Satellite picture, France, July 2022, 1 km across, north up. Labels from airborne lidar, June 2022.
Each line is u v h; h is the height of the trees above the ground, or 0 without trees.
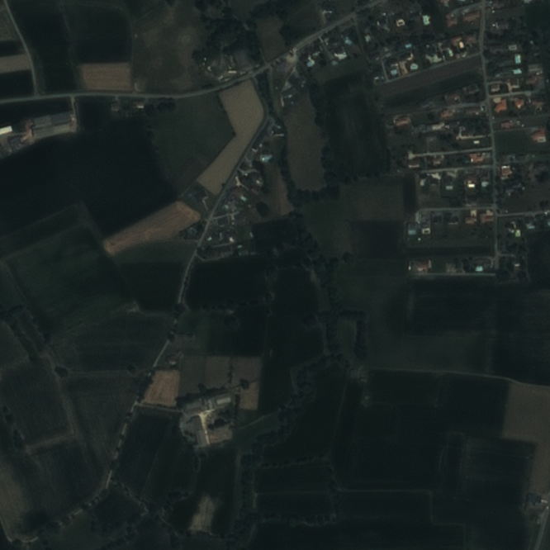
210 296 0
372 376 0
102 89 0
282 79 0
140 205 0
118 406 0
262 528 0
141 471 0
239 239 0
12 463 0
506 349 0
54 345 0
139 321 0
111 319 0
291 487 0
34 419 0
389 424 0
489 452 0
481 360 0
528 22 0
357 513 0
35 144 0
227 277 0
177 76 0
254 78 0
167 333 0
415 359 0
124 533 0
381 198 0
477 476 0
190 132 0
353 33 11
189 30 0
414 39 10
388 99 0
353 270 0
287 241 0
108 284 0
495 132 0
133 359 0
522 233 6
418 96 0
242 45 12
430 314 0
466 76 0
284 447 0
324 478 0
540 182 8
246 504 13
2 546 0
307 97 0
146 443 0
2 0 0
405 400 0
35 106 0
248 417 0
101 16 0
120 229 0
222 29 18
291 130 0
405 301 0
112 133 0
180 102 0
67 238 0
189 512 0
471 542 0
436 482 0
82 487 0
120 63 0
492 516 0
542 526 0
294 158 0
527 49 9
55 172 0
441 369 0
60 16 0
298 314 0
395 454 0
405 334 0
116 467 8
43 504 0
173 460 0
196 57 6
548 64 0
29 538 0
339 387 0
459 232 0
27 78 0
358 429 0
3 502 0
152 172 0
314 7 0
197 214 0
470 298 0
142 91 0
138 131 0
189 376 0
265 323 0
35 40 0
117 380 0
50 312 0
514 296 0
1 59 0
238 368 0
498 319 0
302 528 0
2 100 0
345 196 0
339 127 0
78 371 0
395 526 0
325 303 0
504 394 0
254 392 0
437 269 0
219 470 0
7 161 0
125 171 0
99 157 0
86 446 0
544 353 0
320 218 0
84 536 0
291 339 0
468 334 0
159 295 0
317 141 0
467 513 0
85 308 0
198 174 0
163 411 0
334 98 0
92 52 0
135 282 0
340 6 0
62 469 0
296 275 0
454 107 0
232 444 0
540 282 0
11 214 0
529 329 0
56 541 0
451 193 0
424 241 0
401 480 0
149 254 0
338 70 0
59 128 0
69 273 0
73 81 0
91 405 0
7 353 0
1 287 0
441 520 0
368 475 0
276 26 0
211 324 0
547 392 0
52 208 0
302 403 14
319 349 0
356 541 0
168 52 0
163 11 0
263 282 0
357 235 0
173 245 0
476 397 0
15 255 0
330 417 0
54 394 0
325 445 0
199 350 0
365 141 0
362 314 13
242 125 0
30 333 0
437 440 0
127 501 0
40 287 0
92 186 0
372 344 0
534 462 0
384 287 0
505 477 0
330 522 12
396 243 0
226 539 11
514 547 0
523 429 0
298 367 0
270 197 0
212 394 12
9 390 0
